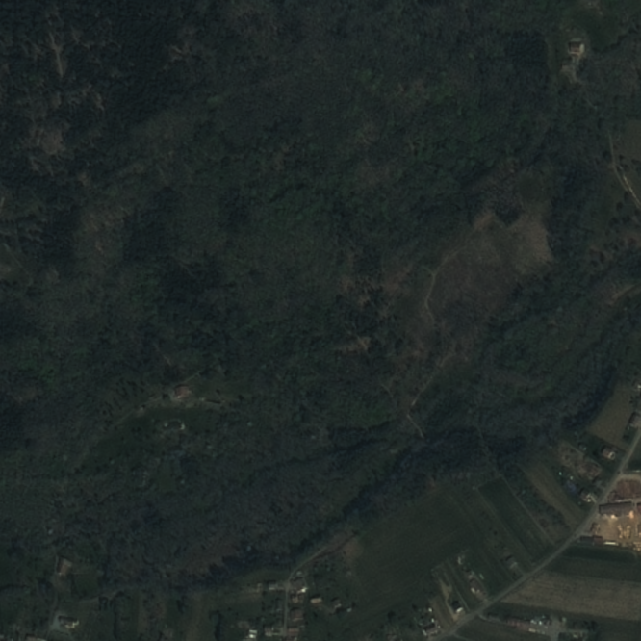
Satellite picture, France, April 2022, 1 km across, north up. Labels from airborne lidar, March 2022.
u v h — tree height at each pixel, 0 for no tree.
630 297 0
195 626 0
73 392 23
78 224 21
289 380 20
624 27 16
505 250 0
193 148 19
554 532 0
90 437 21
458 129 29
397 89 30
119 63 11
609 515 0
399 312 0
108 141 20
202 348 29
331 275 19
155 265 21
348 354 9
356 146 34
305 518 24
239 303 24
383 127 30
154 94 22
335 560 16
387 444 18
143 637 7
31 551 16
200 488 16
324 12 38
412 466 26
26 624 6
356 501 0
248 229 20
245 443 24
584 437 6
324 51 21
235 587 13
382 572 0
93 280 31
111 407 7
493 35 32
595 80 18
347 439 28
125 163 7
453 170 7
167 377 11
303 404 25
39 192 20
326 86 24
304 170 25
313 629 0
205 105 23
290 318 9
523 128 19
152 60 17
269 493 26
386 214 25
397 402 28
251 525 24
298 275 19
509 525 0
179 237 22
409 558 0
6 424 32
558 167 10
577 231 17
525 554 0
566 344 12
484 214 27
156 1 21
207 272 25
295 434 25
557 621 0
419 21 34
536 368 16
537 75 23
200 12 29
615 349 19
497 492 0
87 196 15
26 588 9
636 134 0
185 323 23
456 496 0
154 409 0
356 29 32
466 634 0
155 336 24
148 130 28
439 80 29
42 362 25
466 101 21
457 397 8
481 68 33
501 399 23
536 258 0
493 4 15
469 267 0
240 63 21
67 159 18
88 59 19
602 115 18
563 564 0
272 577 0
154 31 25
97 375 19
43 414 25
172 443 20
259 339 24
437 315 0
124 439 7
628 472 0
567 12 11
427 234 20
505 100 21
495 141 25
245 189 21
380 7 14
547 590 0
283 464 11
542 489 0
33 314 14
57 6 19
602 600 0
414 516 0
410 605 0
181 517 18
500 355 11
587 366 22
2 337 33
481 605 0
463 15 30
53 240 19
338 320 15
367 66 30
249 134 27
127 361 14
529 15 20
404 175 29
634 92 20
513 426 8
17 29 18
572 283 12
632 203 15
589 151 20
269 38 16
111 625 0
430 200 31
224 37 24
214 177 21
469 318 22
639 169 7
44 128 11
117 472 7
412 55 25
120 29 21
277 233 20
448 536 0
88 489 7
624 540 0
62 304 20
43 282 19
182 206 18
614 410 0
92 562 9
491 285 0
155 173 29
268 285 23
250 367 19
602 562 0
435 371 17
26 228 16
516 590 0
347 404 21
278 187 23
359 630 0
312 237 21
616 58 19
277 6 19
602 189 16
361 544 0
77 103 25
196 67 18
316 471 26
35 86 19
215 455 10
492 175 25
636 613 0
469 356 23
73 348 26
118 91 30
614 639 0
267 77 18
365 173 32
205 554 6
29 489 19
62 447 22
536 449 7
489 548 0
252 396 22
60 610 0
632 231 21
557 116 31
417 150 21
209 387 0
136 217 22
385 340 26
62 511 21
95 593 0
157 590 15
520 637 0
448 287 0
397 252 25
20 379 30
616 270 22
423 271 24
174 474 16
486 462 23
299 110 27
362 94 27
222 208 16
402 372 22
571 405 26
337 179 28
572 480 0
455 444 19
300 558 26
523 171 24
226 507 23
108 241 34
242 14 23
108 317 28
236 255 25
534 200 0
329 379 23
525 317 7
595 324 26
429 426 10
